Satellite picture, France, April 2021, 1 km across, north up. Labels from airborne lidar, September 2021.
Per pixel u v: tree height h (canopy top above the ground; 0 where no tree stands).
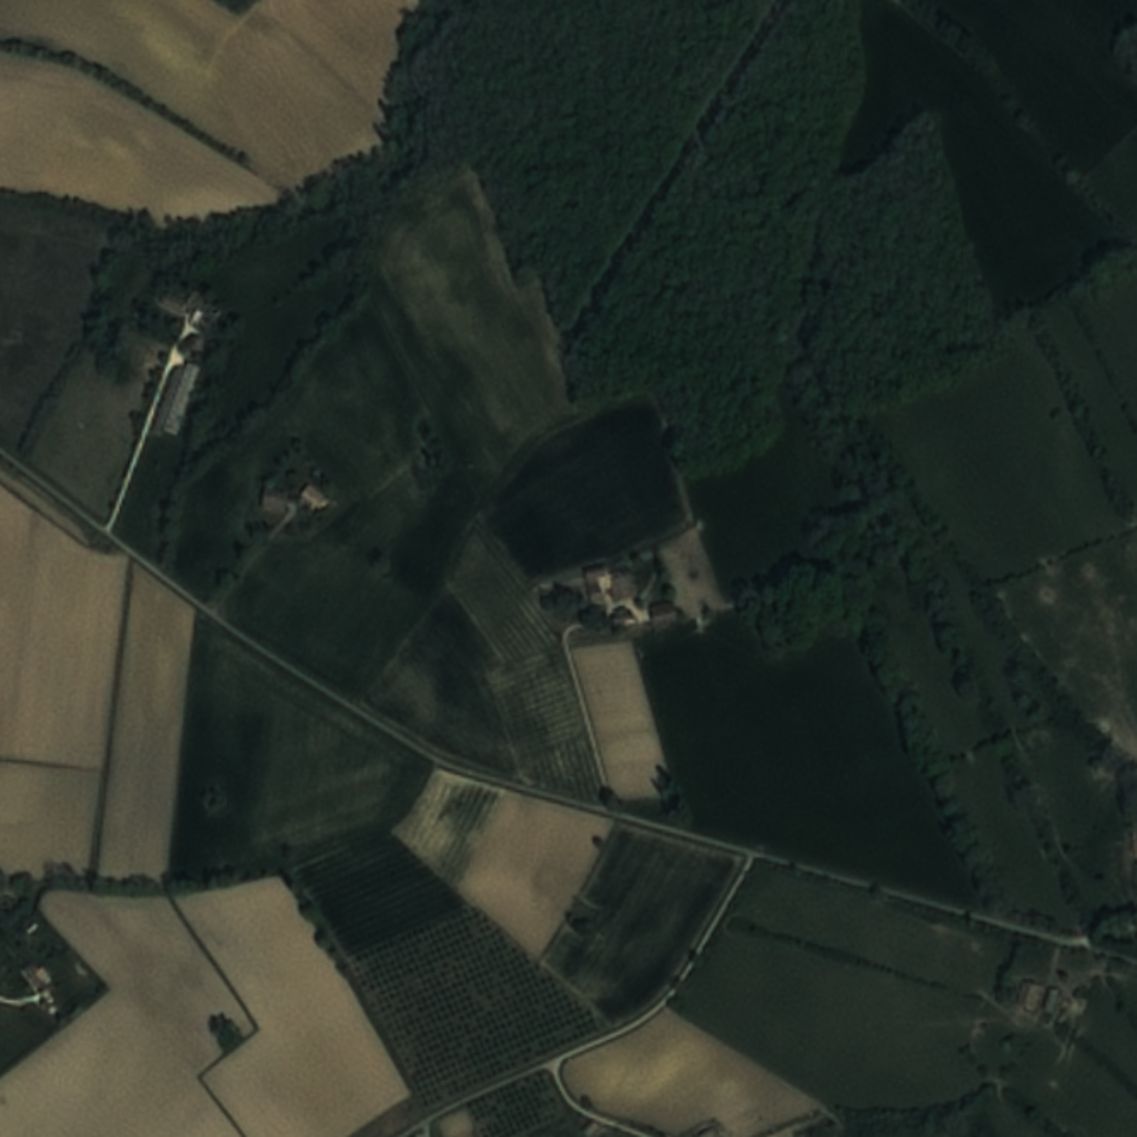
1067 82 0
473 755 0
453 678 0
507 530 0
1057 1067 0
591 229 25
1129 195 0
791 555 0
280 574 0
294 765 0
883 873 0
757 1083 0
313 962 0
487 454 0
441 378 0
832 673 0
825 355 25
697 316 24
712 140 24
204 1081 0
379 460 0
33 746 0
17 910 8
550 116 21
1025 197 0
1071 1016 0
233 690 0
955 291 21
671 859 0
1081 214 0
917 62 0
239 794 0
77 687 0
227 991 0
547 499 0
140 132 0
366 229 14
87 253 0
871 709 0
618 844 0
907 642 0
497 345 0
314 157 0
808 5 21
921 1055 0
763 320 25
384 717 0
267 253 0
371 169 20
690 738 0
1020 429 0
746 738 0
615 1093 0
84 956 0
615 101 23
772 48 21
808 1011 0
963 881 0
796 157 27
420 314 0
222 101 0
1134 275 16
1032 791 17
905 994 0
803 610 27
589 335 23
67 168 0
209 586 0
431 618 0
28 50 11
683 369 26
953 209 15
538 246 18
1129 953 19
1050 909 0
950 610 11
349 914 0
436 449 14
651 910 0
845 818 0
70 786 0
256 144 0
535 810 0
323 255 0
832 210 24
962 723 0
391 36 0
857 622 25
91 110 0
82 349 9
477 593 0
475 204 0
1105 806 0
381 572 16
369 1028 0
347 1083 0
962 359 24
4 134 0
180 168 0
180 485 14
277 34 0
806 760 0
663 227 23
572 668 0
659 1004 0
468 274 0
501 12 24
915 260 22
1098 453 18
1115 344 0
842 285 18
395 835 0
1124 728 0
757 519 0
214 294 12
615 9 22
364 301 15
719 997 0
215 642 0
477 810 0
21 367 0
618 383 23
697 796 0
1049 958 0
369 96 0
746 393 31
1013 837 0
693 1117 0
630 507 0
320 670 0
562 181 24
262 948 0
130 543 0
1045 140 0
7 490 0
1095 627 0
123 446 0
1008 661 0
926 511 16
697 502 0
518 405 0
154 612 0
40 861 0
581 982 0
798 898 0
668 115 21
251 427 18
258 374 0
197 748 0
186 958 0
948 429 0
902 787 0
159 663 0
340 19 0
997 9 0
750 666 0
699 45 21
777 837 0
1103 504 0
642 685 0
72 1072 0
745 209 25
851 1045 0
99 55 0
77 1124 0
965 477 0
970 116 0
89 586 0
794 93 22
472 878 0
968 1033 0
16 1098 0
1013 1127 0
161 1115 0
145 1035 0
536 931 0
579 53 24
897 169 16
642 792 0
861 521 24
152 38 0
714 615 8
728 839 0
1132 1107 0
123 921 0
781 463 0
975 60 31
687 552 0
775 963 0
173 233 7
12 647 0
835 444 25
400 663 0
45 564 0
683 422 24
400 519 0
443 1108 0
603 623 9
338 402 0
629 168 22
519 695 0
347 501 0
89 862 0
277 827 0
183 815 0
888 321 25
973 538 0
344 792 0
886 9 0
